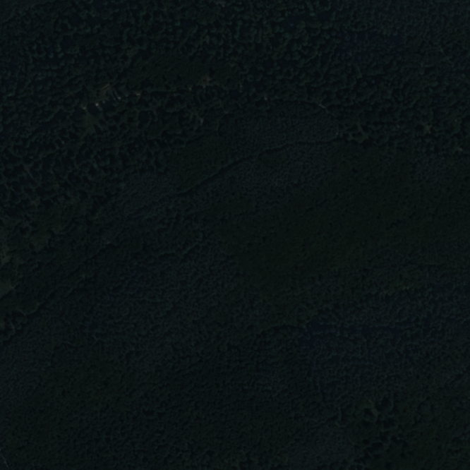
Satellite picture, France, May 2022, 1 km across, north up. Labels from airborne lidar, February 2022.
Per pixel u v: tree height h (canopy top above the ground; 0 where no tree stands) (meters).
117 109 9
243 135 19
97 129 0
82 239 19
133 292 34
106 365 28
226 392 23
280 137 22
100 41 14
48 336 28
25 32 36
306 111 18
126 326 32
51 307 20
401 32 39
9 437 23
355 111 31
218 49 10
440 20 37
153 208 24
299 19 36
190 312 39
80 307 26
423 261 29
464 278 33
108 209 18
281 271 25
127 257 23
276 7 13
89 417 29
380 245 25
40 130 29
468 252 25
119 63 11
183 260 37
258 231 26
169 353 29
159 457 28
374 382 30
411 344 30
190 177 15
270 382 32
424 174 27
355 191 24
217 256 36
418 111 37
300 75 33
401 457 37
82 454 26
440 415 21
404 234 26
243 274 30
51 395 27
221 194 26
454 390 24
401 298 39
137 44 30
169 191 20
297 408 32
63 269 19
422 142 27
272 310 29
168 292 38
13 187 9
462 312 40
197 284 30
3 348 21
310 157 21
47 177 28
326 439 20
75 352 28
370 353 39
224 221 30
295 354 26
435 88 33
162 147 34
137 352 39
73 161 17
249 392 27
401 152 27
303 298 28
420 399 24
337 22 36
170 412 25
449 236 25
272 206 29
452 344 23
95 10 40
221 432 25
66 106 33
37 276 14
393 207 24
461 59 31
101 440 28
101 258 21
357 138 15
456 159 30
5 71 27
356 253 26
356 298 27
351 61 41
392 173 22
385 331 39
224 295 31
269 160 24
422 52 28
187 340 36
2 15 16
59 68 33
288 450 25
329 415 19
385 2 40
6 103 36
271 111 17
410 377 30
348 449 23
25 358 23
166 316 38
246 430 24
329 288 33
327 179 21
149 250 24
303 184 26
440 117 32
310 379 18
